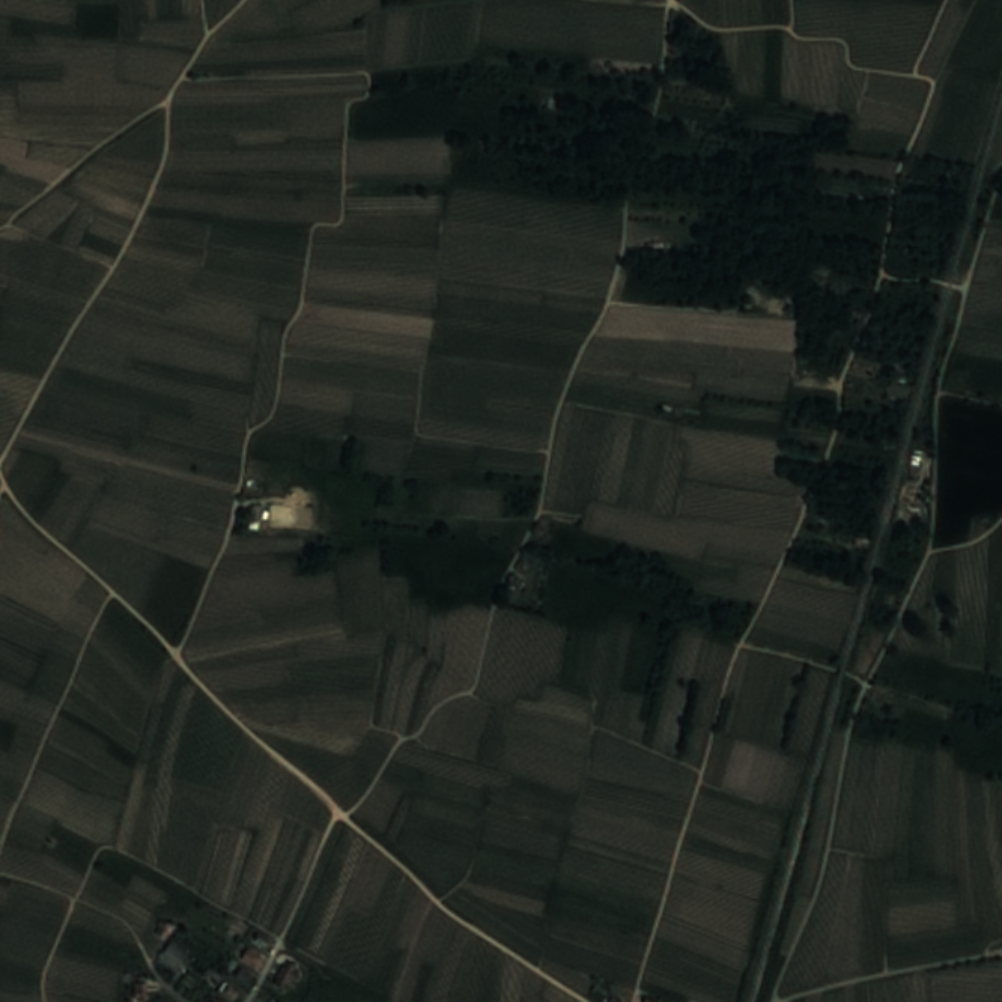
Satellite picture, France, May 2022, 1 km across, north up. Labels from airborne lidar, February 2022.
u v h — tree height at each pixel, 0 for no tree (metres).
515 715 0
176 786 0
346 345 0
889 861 0
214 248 0
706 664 0
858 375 0
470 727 0
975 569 0
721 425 0
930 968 0
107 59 0
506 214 0
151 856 0
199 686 0
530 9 0
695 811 0
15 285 0
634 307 0
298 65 0
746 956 0
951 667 0
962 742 0
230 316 0
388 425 0
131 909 0
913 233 9
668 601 8
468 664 0
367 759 0
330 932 0
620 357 0
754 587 0
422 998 0
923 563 0
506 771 0
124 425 0
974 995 0
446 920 0
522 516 12
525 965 0
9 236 0
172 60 0
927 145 0
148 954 0
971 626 0
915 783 0
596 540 0
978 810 0
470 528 0
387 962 0
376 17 0
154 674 0
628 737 0
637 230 0
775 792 0
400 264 0
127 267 0
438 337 0
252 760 0
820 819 0
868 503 8
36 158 0
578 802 0
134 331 0
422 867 0
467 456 0
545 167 16
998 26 0
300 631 0
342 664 0
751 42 0
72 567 0
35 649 0
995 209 0
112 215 0
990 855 0
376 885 0
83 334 0
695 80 20
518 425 0
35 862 0
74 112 0
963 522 0
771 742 0
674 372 0
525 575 0
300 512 0
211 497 0
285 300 0
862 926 0
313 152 0
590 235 0
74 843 0
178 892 0
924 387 0
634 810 0
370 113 0
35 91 0
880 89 0
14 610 0
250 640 0
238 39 0
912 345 9
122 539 0
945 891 0
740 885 0
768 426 0
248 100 0
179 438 0
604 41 0
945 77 0
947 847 0
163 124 0
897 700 0
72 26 0
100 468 0
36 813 0
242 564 0
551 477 0
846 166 0
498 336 0
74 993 0
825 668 0
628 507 0
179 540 0
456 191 0
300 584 0
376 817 0
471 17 0
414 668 0
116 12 0
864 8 0
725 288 17
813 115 0
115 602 0
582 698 0
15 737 0
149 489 0
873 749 0
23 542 0
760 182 7
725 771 0
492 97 0
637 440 0
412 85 7
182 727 0
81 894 0
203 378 0
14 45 0
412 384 0
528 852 0
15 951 0
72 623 0
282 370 0
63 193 0
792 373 0
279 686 0
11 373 0
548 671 0
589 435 0
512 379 0
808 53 0
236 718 0
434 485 0
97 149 0
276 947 0
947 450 0
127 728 0
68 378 0
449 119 0
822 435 0
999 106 0
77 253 0
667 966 0
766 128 0
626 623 0
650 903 0
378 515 0
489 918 0
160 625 0
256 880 0
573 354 0
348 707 0
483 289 0
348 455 13
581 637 0
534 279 0
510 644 0
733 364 0
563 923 0
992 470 0
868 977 0
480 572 0
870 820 0
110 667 0
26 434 0
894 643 0
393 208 0
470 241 0
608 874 0
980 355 0
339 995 0
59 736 0
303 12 0
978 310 0
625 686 0
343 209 0
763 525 0
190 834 0
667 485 0
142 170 0
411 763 0
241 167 0
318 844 0
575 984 0
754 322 0
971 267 0
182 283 0
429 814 0
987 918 0
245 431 0
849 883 0
